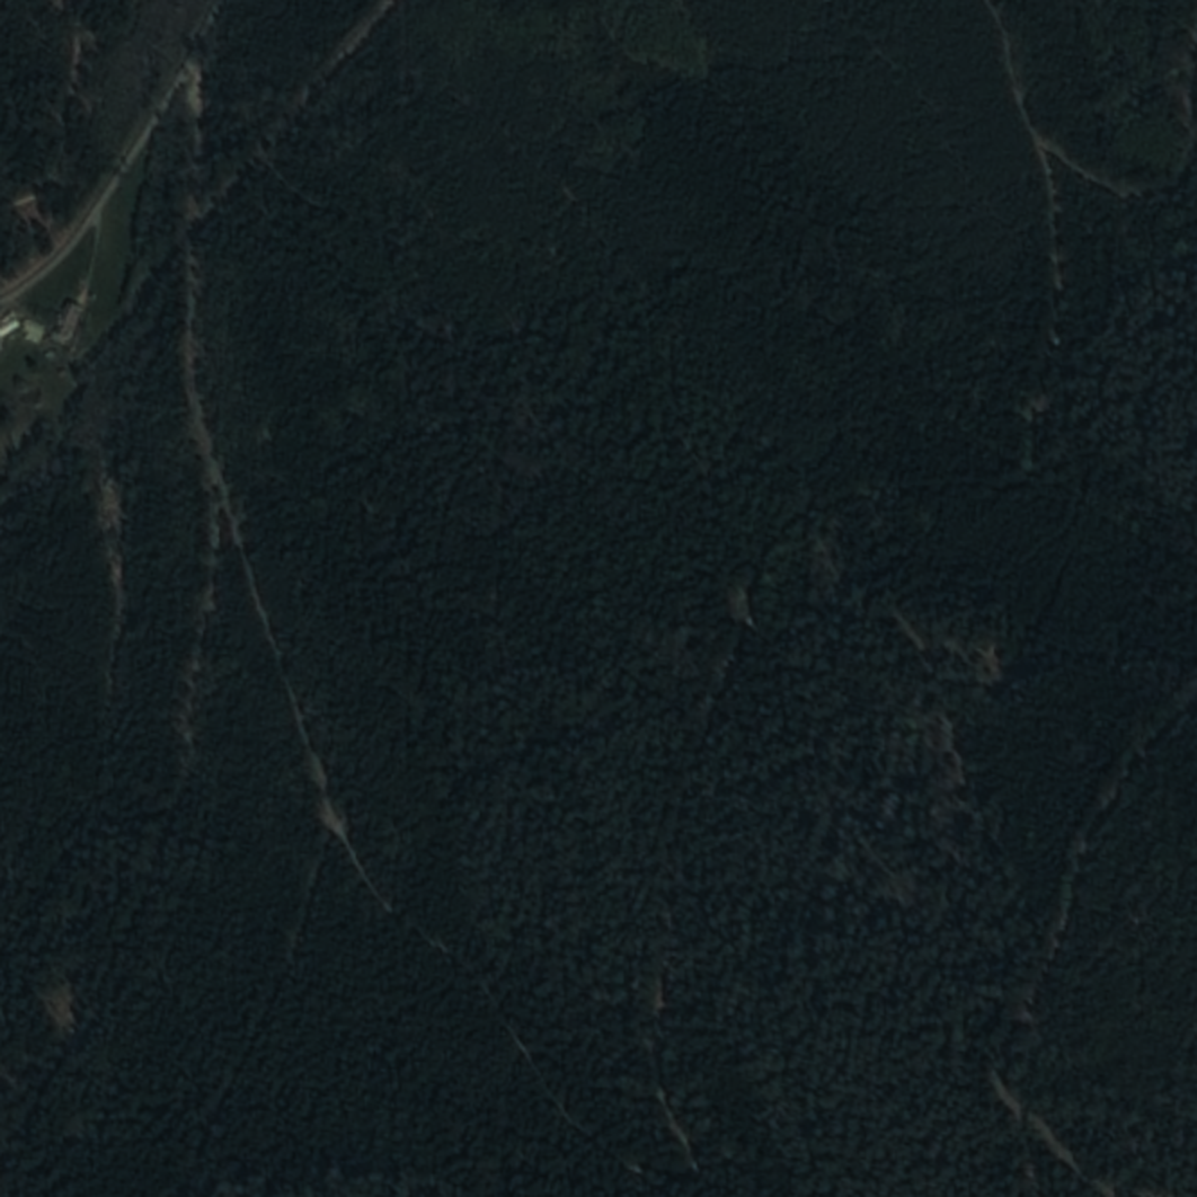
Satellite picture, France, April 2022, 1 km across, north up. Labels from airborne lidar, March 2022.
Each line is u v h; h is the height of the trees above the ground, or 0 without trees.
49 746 19
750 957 26
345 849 19
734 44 7
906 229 13
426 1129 20
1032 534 19
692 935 28
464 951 25
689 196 15
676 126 20
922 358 20
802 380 21
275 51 10
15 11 25
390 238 11
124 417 14
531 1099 28
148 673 14
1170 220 14
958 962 31
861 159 13
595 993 20
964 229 11
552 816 11
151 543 14
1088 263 17
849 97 11
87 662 16
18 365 0
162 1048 22
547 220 10
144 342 8
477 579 28
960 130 10
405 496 28
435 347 28
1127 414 28
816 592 12
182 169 13
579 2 13
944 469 19
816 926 14
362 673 20
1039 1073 10
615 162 8
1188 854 8
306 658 18
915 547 25
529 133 9
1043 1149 17
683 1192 31
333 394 20
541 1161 27
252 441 12
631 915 28
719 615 27
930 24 16
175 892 27
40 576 19
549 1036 28
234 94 11
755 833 30
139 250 11
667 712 28
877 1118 33
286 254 21
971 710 9
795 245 22
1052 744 9
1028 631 16
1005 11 21
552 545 24
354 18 12
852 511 24
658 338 22
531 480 26
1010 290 17
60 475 21
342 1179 36
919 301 19
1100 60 12
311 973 18
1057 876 12
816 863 32
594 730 17
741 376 19
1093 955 11
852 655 24
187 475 11
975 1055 11
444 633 28
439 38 9
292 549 10
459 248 9
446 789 15
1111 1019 11
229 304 12
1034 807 12
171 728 11
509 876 25
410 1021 18
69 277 0
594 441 22
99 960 34
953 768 18
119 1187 21
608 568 28
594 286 11
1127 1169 14
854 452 21
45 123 28
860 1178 8
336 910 16
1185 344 27
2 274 14
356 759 12
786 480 23
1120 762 19
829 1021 26
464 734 27
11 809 27
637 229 13
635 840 28
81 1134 20
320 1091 21
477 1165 25
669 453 24
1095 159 18
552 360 22
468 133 10
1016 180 12
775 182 26
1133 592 19
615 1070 36
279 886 12
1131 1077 9
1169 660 17
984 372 21
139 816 16
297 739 14
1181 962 11
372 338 19
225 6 32
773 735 31
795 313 21
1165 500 10
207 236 17
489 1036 20
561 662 24
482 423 28
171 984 20
